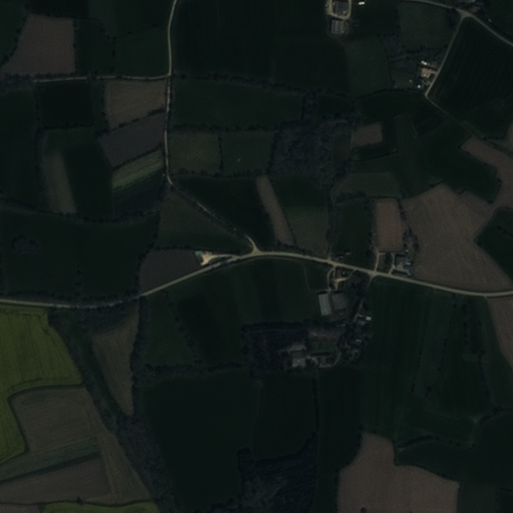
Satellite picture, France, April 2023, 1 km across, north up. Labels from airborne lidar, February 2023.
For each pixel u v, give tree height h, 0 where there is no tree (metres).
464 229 0
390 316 0
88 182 0
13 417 0
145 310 17
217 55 0
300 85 0
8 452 0
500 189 0
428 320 0
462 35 0
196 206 11
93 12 0
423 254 0
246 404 0
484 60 0
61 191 0
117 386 0
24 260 0
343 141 0
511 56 0
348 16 0
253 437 0
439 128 0
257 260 0
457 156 0
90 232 0
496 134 0
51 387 0
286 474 14
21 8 0
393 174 0
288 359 12
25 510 0
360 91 0
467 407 0
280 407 0
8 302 0
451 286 0
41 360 0
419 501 0
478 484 0
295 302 0
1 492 0
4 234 0
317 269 0
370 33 0
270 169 11
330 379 0
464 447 0
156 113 7
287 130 16
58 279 0
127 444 12
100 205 0
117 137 0
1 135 0
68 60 0
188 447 0
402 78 0
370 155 0
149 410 0
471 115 0
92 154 0
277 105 0
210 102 0
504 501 0
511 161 0
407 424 0
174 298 0
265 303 0
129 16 0
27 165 0
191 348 14
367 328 11
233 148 0
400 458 0
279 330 13
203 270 0
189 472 0
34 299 12
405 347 0
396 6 0
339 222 14
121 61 0
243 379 0
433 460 0
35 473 0
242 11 0
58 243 0
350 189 0
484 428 0
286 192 0
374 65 0
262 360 15
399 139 0
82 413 0
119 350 0
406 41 0
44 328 0
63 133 0
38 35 0
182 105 0
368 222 0
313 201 0
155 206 0
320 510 0
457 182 0
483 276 0
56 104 0
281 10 0
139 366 16
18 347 0
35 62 0
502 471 0
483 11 14
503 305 0
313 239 0
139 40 0
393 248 0
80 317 13
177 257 0
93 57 0
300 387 0
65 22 0
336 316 0
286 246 8
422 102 0
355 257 0
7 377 0
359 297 14
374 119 0
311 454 12
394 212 0
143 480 15
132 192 0
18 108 0
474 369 0
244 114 0
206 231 0
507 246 0
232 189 0
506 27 0
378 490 0
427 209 0
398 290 0
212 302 0
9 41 0
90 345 10
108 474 0
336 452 0
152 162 0
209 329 0
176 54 0
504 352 0
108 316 11
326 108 0
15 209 14
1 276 10
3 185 0
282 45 0
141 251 0
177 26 0
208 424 0
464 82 0
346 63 0
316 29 0
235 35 0
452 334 0
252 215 0
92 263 0
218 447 0
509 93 0
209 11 0
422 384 0
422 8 0
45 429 0
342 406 0
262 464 10
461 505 0
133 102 0
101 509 0
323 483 0
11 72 0
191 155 0
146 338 12
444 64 0
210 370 9
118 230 0
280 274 0
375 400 0
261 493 16
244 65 0
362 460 0
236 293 0
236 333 0
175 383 0
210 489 0
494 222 0
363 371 0
